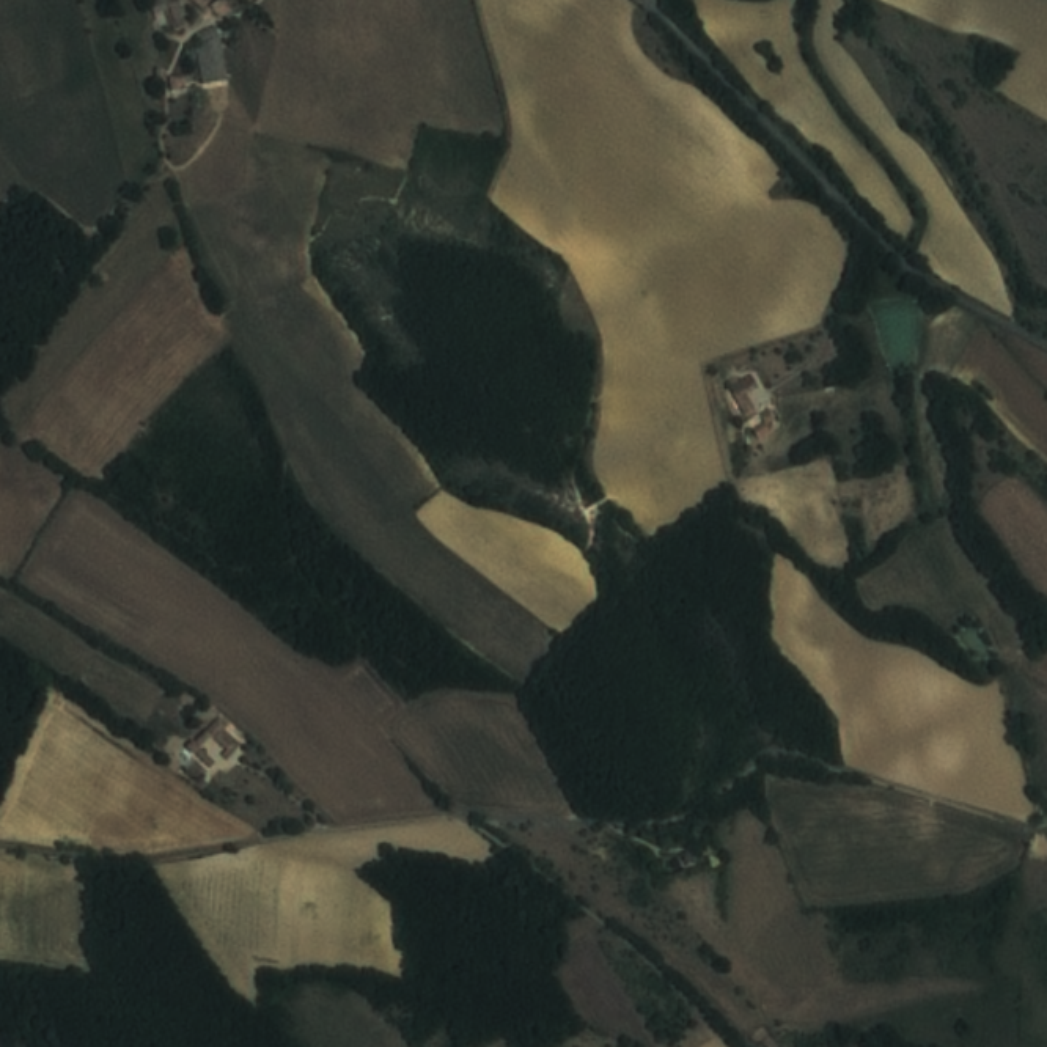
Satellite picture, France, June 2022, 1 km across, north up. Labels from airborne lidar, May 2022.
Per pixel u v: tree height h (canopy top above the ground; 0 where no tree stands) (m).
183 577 0
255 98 0
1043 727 0
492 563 0
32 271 17
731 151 0
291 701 0
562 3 0
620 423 0
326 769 0
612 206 0
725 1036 13
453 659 12
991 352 0
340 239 0
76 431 0
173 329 0
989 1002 0
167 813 0
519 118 0
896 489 0
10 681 12
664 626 11
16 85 0
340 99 0
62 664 0
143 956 14
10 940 0
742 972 0
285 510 7
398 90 0
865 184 0
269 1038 16
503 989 19
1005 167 0
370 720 0
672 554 16
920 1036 0
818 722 13
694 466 0
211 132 0
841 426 0
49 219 15
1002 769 0
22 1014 15
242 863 0
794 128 9
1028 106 0
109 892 9
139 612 0
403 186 0
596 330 0
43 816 0
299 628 14
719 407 0
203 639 0
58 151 0
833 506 0
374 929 0
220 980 15
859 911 6
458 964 20
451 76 0
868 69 0
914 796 0
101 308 0
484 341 11
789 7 0
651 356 0
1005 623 0
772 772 16
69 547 0
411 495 0
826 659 0
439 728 0
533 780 0
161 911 13
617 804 15
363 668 0
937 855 0
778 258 0
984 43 11
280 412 0
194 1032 11
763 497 0
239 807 0
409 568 0
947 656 17
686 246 0
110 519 0
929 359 0
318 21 0
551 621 0
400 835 0
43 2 0
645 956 12
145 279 0
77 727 0
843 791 0
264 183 0
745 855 0
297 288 0
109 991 16
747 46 0
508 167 0
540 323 12
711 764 7
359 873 10
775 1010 0
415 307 8
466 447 10
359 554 11
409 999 9
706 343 0
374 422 0
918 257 17
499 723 0
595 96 0
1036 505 0
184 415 0
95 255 14
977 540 17
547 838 0
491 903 16
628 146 0
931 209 0
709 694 14
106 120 0
